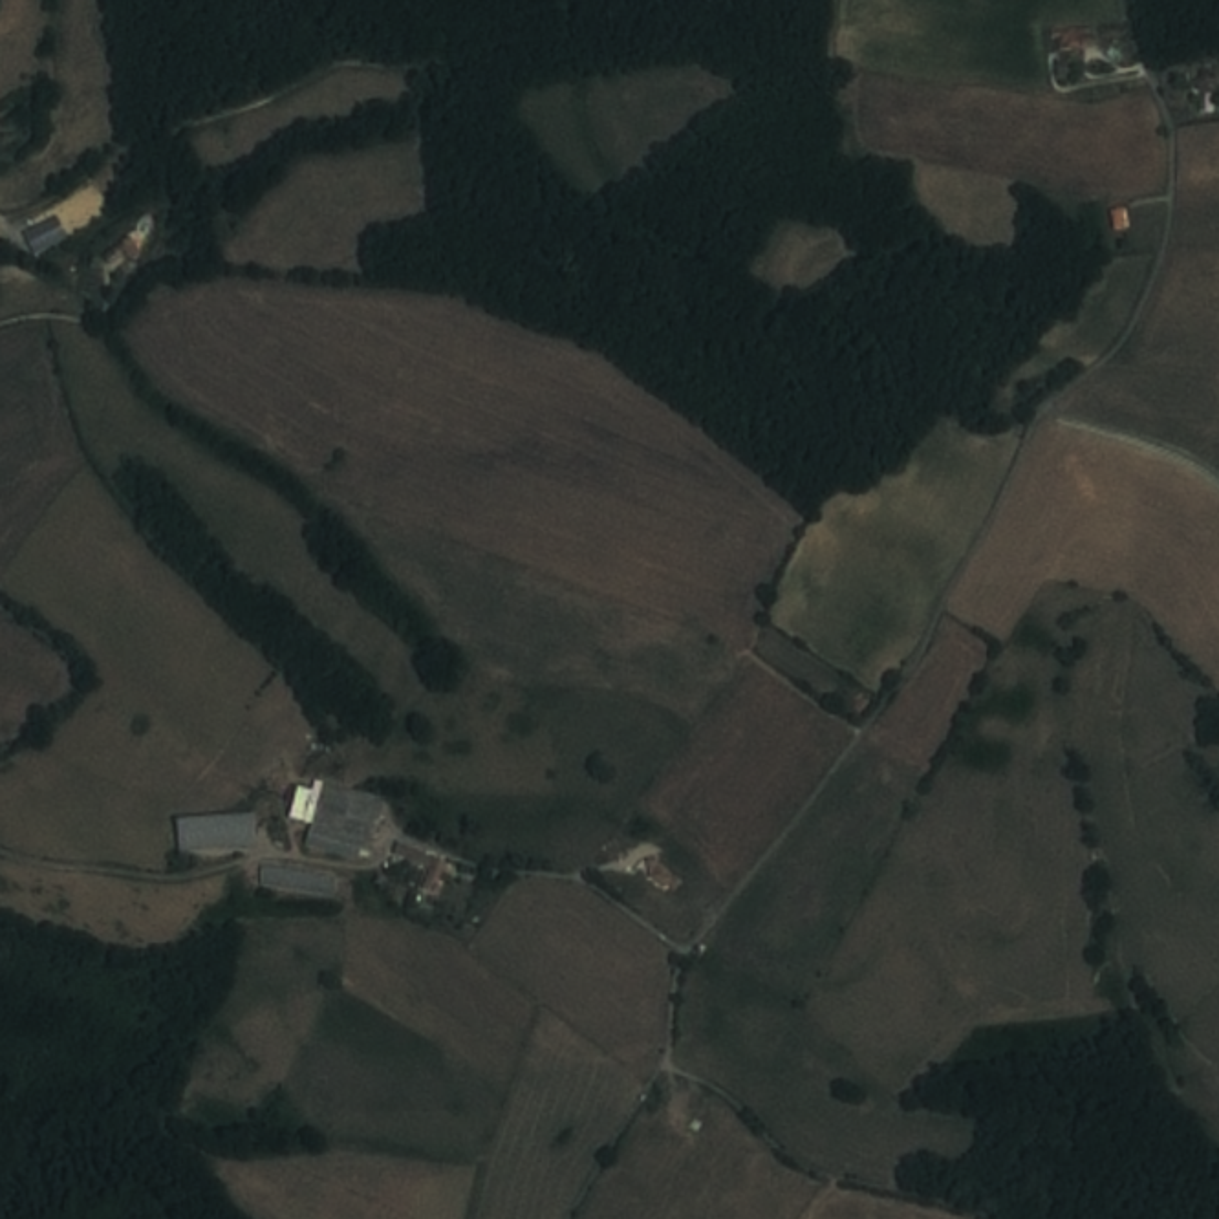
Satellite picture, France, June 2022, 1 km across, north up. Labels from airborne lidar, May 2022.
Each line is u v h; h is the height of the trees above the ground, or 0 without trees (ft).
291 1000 0
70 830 0
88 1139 80
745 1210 0
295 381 0
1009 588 0
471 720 0
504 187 74
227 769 0
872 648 0
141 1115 35
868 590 0
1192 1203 63
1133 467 0
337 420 0
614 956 0
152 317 0
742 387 72
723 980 0
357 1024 0
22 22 0
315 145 60
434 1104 0
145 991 29
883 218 60
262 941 0
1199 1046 0
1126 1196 53
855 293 52
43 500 0
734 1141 0
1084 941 0
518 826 0
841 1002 0
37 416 0
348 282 48
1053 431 0
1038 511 0
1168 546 0
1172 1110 101
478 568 0
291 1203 0
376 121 81
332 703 46
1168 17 57
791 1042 0
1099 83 0
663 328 61
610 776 29
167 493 59
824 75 55
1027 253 77
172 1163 76
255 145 0
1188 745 0
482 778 0
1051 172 0
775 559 0
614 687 0
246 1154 53
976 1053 0
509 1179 0
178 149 75
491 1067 0
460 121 73
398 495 0
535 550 0
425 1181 0
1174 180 0
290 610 55
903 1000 0
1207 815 0
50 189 44
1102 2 0
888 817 0
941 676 0
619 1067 0
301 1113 0
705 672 0
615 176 0
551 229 80
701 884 0
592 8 71
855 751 0
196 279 69
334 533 72
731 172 52
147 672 0
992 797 0
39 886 0
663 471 0
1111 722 0
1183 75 32
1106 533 0
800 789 0
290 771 0
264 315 0
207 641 0
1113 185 0
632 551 0
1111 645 0
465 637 0
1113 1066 74
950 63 0
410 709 0
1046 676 0
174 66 68
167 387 0
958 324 41
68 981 39
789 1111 0
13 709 0
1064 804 0
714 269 105
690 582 0
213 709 0
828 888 0
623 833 0
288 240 0
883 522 0
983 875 0
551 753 0
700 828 0
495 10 82
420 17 59
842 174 51
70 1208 77
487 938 0
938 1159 62
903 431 71
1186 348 0
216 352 0
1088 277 65
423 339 0
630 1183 0
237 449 24
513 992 0
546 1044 0
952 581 0
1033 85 0
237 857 28
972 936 0
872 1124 0
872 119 0
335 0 66
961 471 0
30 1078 22
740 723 0
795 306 81
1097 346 0
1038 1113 68
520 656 0
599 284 90
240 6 52
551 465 0
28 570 0
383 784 39
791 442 75
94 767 0
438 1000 0
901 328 68
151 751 0
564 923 0
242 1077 0
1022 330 58
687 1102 0
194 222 19
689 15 60
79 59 0
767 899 0
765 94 49
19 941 27
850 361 84
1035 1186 86
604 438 0
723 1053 0
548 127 0
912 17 0
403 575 0
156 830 0
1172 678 0
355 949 0
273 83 50
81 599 0
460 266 60
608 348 48
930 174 0
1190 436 0
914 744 0
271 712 0
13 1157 24
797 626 0
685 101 0
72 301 0
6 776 0
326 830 0
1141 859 0
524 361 0
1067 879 0
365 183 0
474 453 0
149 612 0
